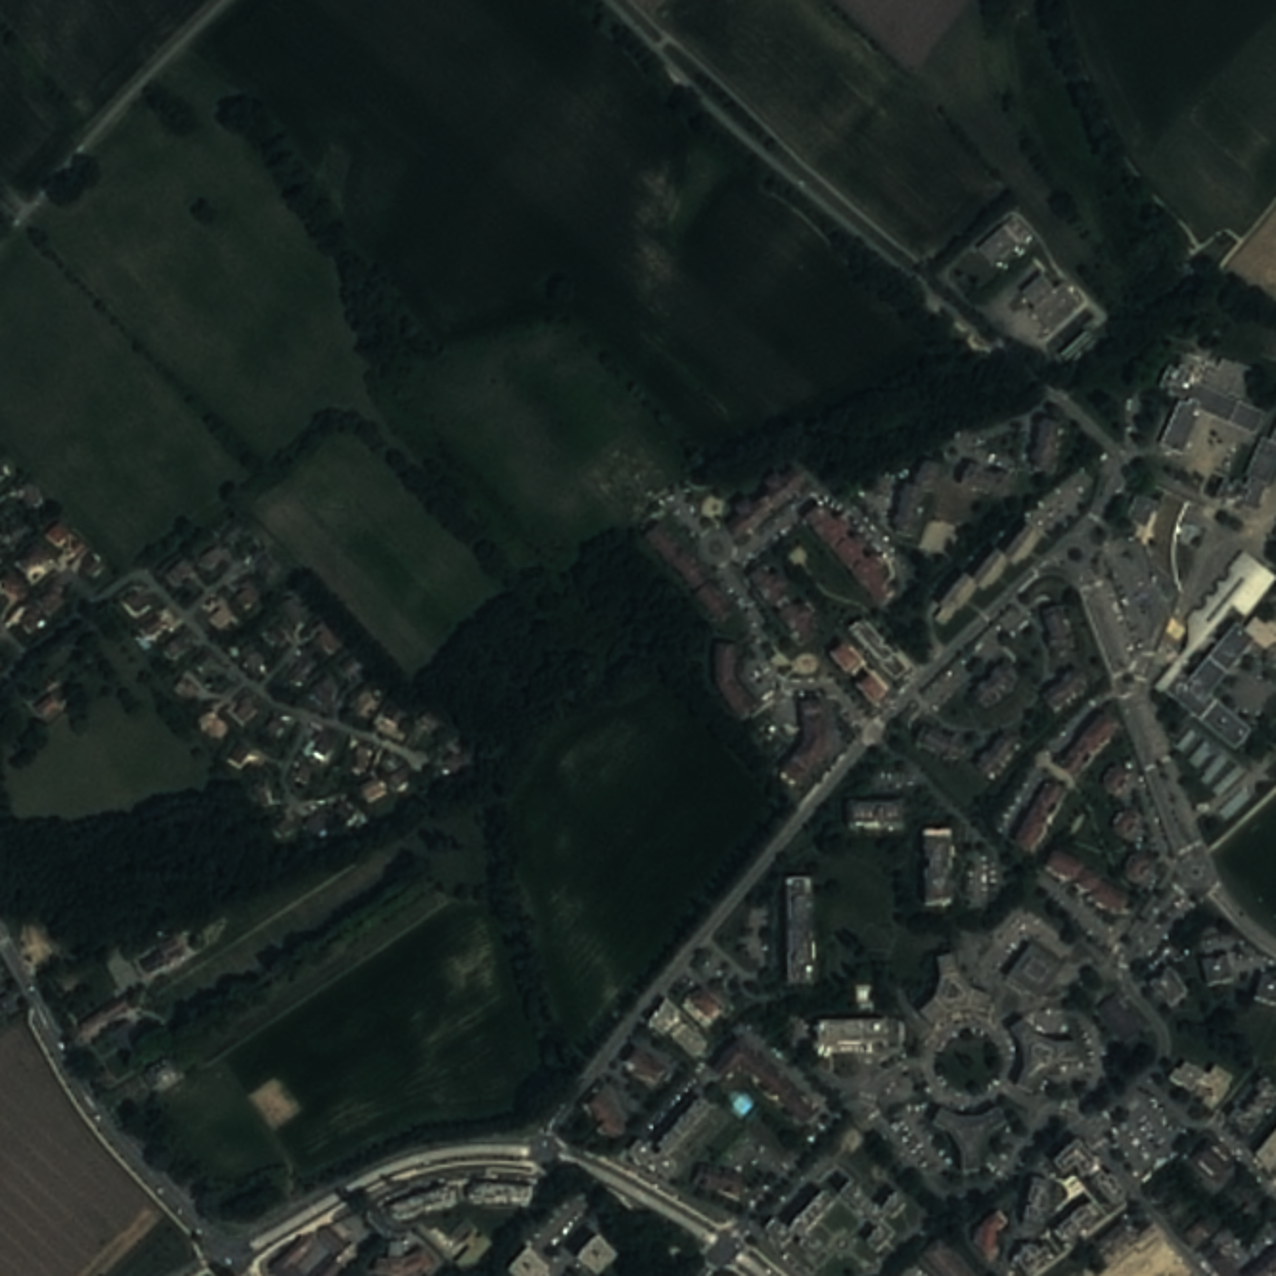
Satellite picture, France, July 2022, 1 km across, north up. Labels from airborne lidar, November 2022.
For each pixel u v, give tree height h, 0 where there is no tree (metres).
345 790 6
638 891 0
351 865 18
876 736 0
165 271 0
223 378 0
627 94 0
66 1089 0
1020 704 0
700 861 0
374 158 0
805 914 0
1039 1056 0
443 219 0
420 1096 0
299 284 0
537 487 0
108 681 8
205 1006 19
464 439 0
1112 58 0
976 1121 0
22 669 13
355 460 0
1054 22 25
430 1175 0
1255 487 0
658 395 0
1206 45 0
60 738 0
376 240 0
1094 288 6
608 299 0
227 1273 10
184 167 0
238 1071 0
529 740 25
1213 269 22
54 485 0
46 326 0
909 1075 7
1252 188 0
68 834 20
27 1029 0
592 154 0
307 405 0
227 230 0
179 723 11
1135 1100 0
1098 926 0
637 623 19
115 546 0
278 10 0
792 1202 0
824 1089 9
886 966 10
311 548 0
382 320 11
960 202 0
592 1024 0
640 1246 25
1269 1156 0
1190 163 0
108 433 0
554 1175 7
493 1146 0
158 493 0
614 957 0
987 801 7
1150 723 0
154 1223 0
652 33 0
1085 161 0
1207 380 0
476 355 0
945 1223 18
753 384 0
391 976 0
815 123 0
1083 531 0
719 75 0
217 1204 22
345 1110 0
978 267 0
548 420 0
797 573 12
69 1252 0
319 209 17
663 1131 0
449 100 0
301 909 0
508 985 0
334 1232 0
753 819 0
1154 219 18
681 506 0
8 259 0
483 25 0
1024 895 12
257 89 0
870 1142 8
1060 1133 18
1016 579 0
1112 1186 0
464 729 18
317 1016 0
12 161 0
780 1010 13
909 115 0
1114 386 0
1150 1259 0
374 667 15
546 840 0
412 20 0
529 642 22
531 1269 0
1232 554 0
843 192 0
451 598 0
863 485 12
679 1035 0
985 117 0
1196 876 0
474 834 0
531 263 0
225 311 0
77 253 0
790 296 0
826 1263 0
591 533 0
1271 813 0
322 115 0
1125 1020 0
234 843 27
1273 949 0
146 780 0
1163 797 0
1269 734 10
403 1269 0
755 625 0
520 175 0
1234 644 0
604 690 25
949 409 19
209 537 6
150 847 24
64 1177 0
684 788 0
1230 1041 15
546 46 0
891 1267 13
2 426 0
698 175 0
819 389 0
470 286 0
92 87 0
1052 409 12
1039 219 0
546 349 0
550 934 0
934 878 0
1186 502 7
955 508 0
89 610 18
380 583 0
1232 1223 13
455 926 0
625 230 0
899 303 18
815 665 0
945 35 0
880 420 22
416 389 0
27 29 0
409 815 21
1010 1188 8
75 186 17
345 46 0
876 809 0
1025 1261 0
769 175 6
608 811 0
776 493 0
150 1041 28
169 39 0
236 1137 0
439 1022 0
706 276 0
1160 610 0
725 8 0
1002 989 0
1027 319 0
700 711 20
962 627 0
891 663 0
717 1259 0
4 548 6
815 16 0
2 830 21
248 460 13
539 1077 0
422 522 0
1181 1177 9
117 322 7
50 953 0
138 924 25
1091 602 0
